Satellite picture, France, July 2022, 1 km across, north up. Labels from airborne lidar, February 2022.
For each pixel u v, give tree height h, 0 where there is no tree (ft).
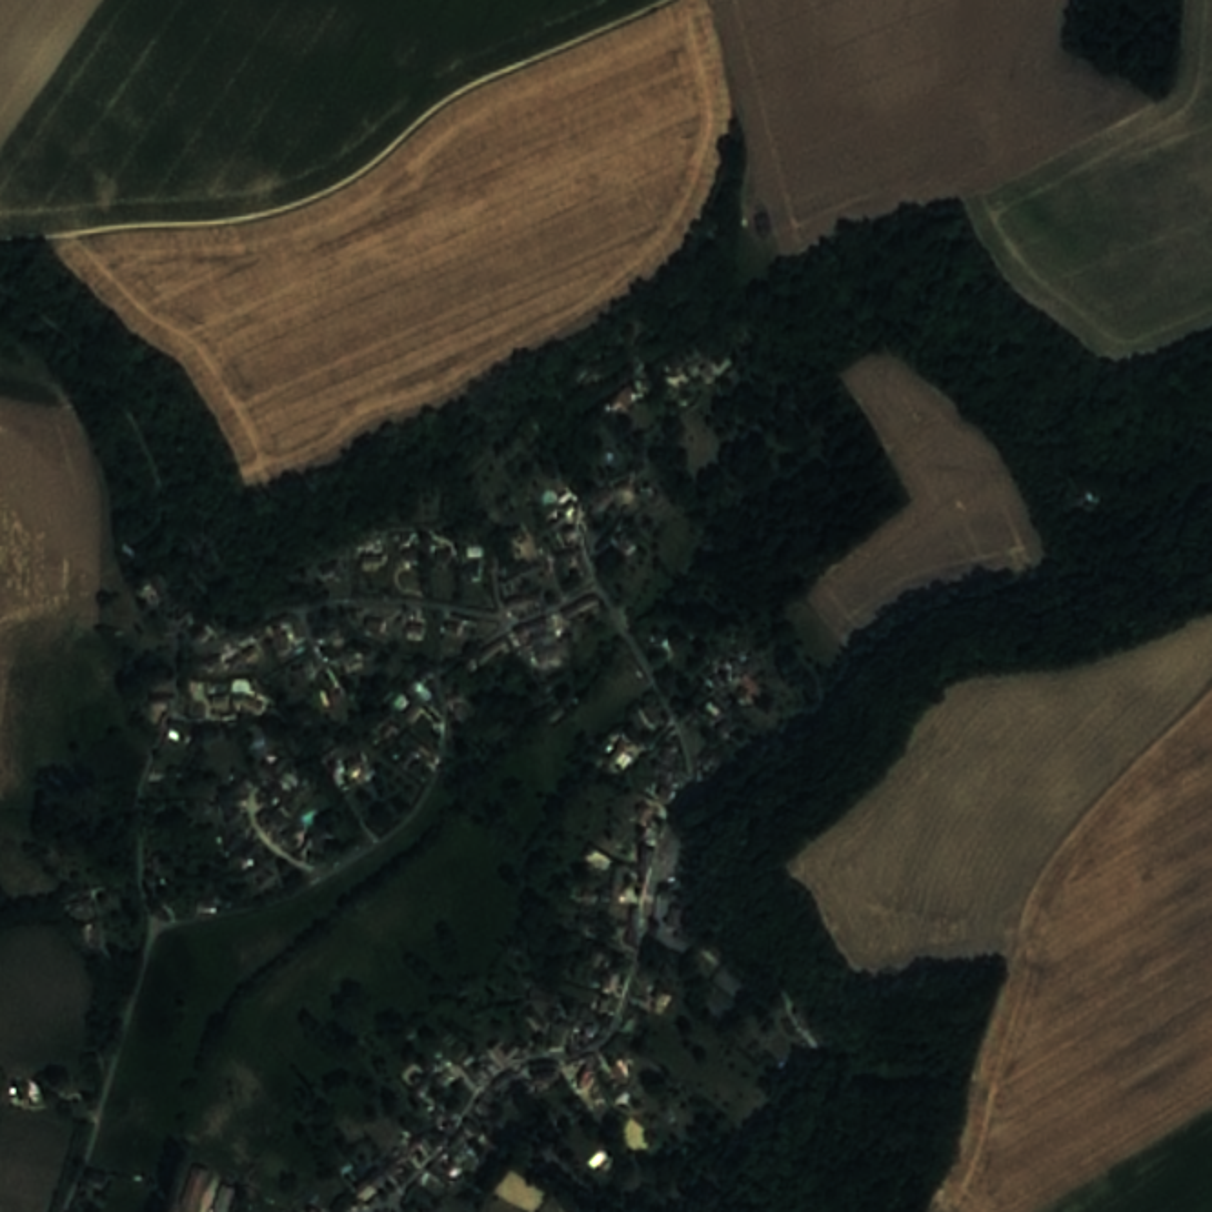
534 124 0
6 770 0
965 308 49
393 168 0
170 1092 0
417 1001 0
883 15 0
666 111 0
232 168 0
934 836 0
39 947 0
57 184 0
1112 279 0
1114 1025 0
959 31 0
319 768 46
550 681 21
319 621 18
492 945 0
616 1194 40
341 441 0
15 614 0
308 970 0
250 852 0
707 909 43
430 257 0
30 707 0
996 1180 0
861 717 66
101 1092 20
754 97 0
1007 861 0
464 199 0
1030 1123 0
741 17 0
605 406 38
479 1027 24
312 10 0
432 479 57
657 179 0
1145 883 0
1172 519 55
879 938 0
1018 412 22
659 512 0
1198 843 0
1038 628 62
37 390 0
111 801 25
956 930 0
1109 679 0
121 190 0
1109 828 0
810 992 22
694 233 27
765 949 44
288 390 0
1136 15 56
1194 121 0
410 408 0
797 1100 70
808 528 84
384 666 20
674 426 57
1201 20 0
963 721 0
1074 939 0
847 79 0
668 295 45
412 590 0
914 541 0
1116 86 0
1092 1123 0
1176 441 31
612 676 0
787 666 54
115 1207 0
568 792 69
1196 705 0
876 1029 24
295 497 54
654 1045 0
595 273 0
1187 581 69
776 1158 65
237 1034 0
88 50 0
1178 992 0
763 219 0
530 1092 56
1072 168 0
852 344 40
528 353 38
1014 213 0
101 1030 62
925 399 0
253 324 0
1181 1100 0
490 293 0
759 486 67
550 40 0
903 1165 43
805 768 54
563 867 19
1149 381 69
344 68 0
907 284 76
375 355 0
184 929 0
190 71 0
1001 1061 0
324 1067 0
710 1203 80
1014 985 0
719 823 60
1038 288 0
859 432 33
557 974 75
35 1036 0
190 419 24
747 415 43
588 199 0
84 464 0
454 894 0
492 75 0
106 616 0
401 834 0
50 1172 0
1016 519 0
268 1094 0
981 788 0
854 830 0
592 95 0
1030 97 0
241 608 41
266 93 0
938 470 0
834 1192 63
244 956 0
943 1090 71
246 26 0
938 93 0
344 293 0
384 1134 0
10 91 0
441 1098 47
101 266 0
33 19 0
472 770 66
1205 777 0
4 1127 0
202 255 0
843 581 0
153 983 0
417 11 0
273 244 0
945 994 55
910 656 68
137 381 38
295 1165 0
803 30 0
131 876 23
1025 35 0
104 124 0
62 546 0
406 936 0
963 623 60
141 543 74
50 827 59
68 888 24
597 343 28
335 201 0
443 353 0
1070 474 20
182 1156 105
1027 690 0
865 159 0
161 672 69
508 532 23
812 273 59
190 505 48
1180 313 0
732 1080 0
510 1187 0
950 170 0
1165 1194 0
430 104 0
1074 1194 0
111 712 0
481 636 0
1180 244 0
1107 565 52
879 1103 45
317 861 35
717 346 48
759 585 74
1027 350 58
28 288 29
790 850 53
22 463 0
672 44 0
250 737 22
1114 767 0
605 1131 20
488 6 0
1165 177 0
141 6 0
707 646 37
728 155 52
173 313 0
